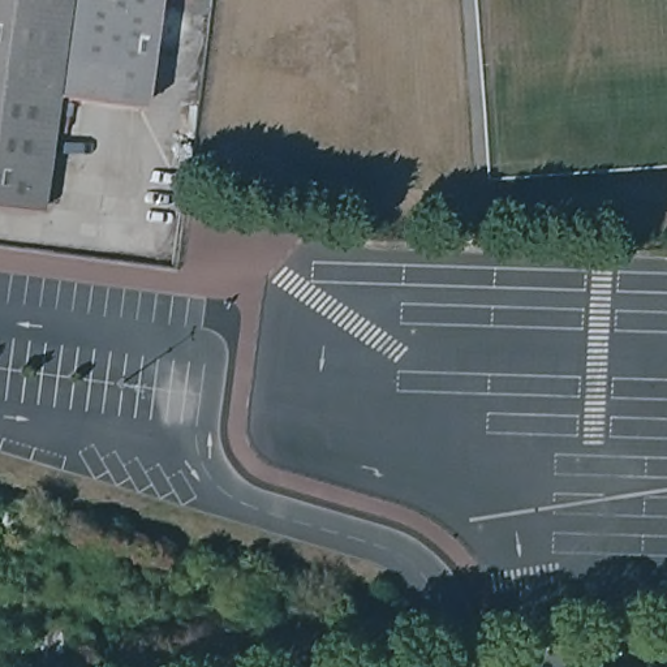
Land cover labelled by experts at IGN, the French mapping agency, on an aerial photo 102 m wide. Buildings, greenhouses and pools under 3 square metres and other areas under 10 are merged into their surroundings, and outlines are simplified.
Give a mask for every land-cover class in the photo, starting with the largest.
<instances>
[{"label":"impervious surface","instance_id":"1","mask_svg":"<svg viewBox=\"0 0 667 667\"><path fill-rule=\"evenodd\" d=\"M211 16V0H167L154 86L156 96L151 99V104L138 107L96 99H83L81 104L68 99L60 102L55 169L50 185V201L55 206L50 211L0 206V448L23 459H34L39 464H50V479H65L68 485H76L83 474L96 477L99 482H120L125 490H141L151 498L162 495L169 503H185L195 511L279 532L281 542L292 547L297 545V539H305L318 547L349 552L360 563H375L380 571H396L406 578L409 586H414L409 597L414 599L417 615H430V625L446 628L451 636H456L461 646H477V631L487 612L521 615L537 633L550 623L552 607L563 602L604 607V620H617L628 612V604L636 597L654 594L667 599V261H636L633 266H628L625 274L513 271L505 263H492V258L477 253H466L448 261H425L417 253H409L367 250L334 255L318 248H302V237L297 234L274 232L240 234L232 229L224 234H214L198 219L182 214L177 203L169 201L175 198L169 190L172 175L188 159L193 149L180 143L195 135L198 86L193 76L198 65V52L206 42L203 34ZM474 162L485 169H490V130L482 68L479 0H464ZM620 657L615 662H607L604 667H667V662H644L631 654L628 644H620Z\"/></svg>","mask_w":667,"mask_h":667},{"label":"herbaceous vegetation","instance_id":"2","mask_svg":"<svg viewBox=\"0 0 667 667\"><path fill-rule=\"evenodd\" d=\"M482 68L490 130V169H485L474 162L464 0H211V16L203 34L206 42L198 52V65L193 76L198 86L195 135L180 143L193 149L188 159L190 164H203L211 169L216 167L232 175L237 190L258 188V195L266 203L279 206L284 193L289 190L310 193V182H318V190H328L326 206H336L341 193H360V206L365 208L367 221L375 227V232L386 221H399L401 208L412 211L427 190L440 193L446 198L448 211L459 214V232L469 237L464 245L466 253H477L479 245H474L472 237L479 234V224L487 219L490 203L516 201L524 203L526 219L555 216L565 221L573 216L589 219L602 208L615 211L623 219V229H628L633 234V242L641 248L636 253V261H667V0H479ZM367 250L409 253L412 245L404 240H365ZM42 482L47 500L60 503L83 524H91L102 537H112L117 542L162 545L167 558H185L188 542L203 539L206 547L214 555H221L229 568L245 555H268L281 573L300 576L305 586H336L339 591L352 597L354 615L344 617L347 636L352 638V644L383 641L388 638V631L393 628L396 617L417 615L414 599L409 597L414 586H409L406 578L396 571H380L375 563H360L349 552L318 547L305 539H297V545L292 547L281 542L279 532L195 511L185 503H169L162 495L151 498L141 490H125L120 482H99L96 477L83 474L76 485H68L65 479H50V464H39L34 459H23L0 448V505L21 500V487ZM375 576L393 586L396 594L391 599L383 602L370 594L367 581ZM326 623L310 615H292L289 620L271 625L261 633H206L188 646H175L172 651L135 646L130 641L94 638L96 654L112 667H237V657H245L250 646H266L268 651L287 649L292 651V667H310L313 644L323 641ZM47 649L26 654L8 651L5 664L10 667H91L81 651H73L63 644V631H55L42 638Z\"/></svg>","mask_w":667,"mask_h":667},{"label":"deciduous trees","instance_id":"3","mask_svg":"<svg viewBox=\"0 0 667 667\"><path fill-rule=\"evenodd\" d=\"M169 190L175 198L169 201L177 203L182 214L198 219L214 234H224L232 229L240 234L274 232L297 234L302 237V248H318L334 255L367 250L365 240H404L412 245L409 253H417L425 261H448L466 253L464 245L469 237L459 232V214L448 211L446 198L440 193L427 190L412 211L401 208L399 221H386L375 232V227L367 221L365 208L360 206V193H341L336 206H326L328 190H318V182H310V193L289 190L284 193L279 206L266 203L258 195V188L237 190L232 175L216 167L211 169L203 164H190L188 159L172 175ZM474 245H479L477 253L492 258V263H505L513 271L625 274L628 266H633L636 261V253L641 248L633 242V234L628 229H623V219L615 211L602 208L589 219L573 216L565 221L555 216L526 219L524 203L516 201L490 203L487 219L479 224V234L472 237ZM21 500L0 505V667H10L5 664L8 651L26 654L47 649L42 638L55 631H63V644L73 651H81L91 667H112L96 654L94 638L130 641L135 646L172 651L175 646H188L206 633H261L271 625L289 620L292 615H310L326 623L323 641L313 644L310 667H604L607 662H615L620 657V644H628L631 654L644 662H667V599L654 594L636 597L628 604V612L617 620H604V607L563 602L552 607L550 623L537 633L521 615L487 612L477 631V646H461L456 636H451L446 628L430 625V615H417L396 617L393 628L388 631V638L383 641L352 644V638L347 636L344 617L354 615L352 597L339 591L336 586H305L300 576L281 573L268 555H245L229 568L221 555H214L206 547L203 539L188 542L185 558H167L162 545L117 542L112 537H102L91 524H83L60 503L47 500L42 482L21 487ZM370 594L383 602L391 599L396 594L393 586L375 576L367 581ZM237 667H292V651L287 649L268 651L266 646H250L245 657H237Z\"/></svg>","mask_w":667,"mask_h":667},{"label":"building","instance_id":"4","mask_svg":"<svg viewBox=\"0 0 667 667\"><path fill-rule=\"evenodd\" d=\"M167 0H0V206L50 211L55 206L50 201V185L55 169L60 102L68 99L81 104L83 99H96L138 107L151 104V99L156 96L154 86Z\"/></svg>","mask_w":667,"mask_h":667}]
</instances>
